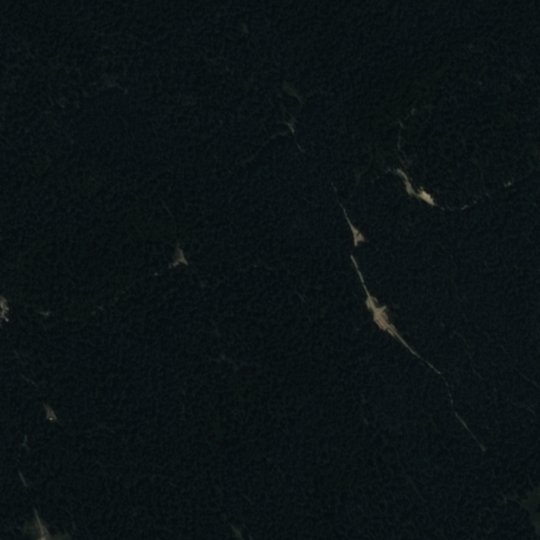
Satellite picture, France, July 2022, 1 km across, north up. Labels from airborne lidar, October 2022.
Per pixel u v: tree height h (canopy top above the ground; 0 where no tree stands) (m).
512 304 24
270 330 19
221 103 19
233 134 15
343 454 20
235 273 23
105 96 22
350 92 21
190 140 18
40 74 21
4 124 14
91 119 19
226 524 20
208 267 13
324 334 17
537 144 16
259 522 18
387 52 24
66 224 27
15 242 13
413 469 14
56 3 14
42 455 16
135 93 25
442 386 18
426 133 16
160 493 26
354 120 23
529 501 0
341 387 20
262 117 15
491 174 21
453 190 15
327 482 24
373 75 26
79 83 11
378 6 23
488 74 8
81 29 18
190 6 21
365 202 24
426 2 28
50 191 9
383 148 19
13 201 28
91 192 22
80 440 16
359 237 0
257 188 19
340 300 14
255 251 23
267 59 14
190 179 23
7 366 19
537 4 24
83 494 19
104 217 8
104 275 13
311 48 18
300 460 27
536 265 22
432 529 13
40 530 0
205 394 22
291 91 0
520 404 16
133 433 14
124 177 17
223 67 14
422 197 0
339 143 9
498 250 11
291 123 0
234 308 16
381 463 25
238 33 19
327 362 24
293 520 17
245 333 16
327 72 20
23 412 33
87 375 12
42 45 20
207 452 16
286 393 11
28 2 20
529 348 19
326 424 20
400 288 21
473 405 20
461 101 21
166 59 19
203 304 13
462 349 23
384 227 19
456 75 15
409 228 26
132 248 19
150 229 9
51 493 22
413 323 19
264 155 23
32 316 25
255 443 23
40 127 19
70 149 18
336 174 16
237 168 7
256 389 18
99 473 12
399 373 16
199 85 20
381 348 24
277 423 16
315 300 16
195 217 14
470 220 21
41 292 16
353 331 19
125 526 12
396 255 20
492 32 23
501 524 19
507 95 8
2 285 10
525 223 26
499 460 18
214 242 18
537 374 26
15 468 14
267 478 16
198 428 19
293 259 18
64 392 18
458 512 15
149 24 11
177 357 9
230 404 22
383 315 0
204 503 19
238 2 19
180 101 17
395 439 17
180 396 13
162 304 28
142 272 19
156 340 14
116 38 16
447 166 19
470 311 18
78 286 14
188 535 17
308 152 17
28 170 13
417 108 6
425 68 24
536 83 29
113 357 20
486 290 23
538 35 9
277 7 17
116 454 13
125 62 20
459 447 28
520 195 13
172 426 16
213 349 24
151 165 13
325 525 23
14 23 6
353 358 27
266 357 20
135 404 11
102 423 11
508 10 16
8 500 20
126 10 17
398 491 27
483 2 13
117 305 8
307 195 13
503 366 19
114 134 18
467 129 8
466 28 24
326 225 26
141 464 9
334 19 20
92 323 14
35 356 7
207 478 18
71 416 31
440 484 12
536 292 23
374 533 26
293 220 21
